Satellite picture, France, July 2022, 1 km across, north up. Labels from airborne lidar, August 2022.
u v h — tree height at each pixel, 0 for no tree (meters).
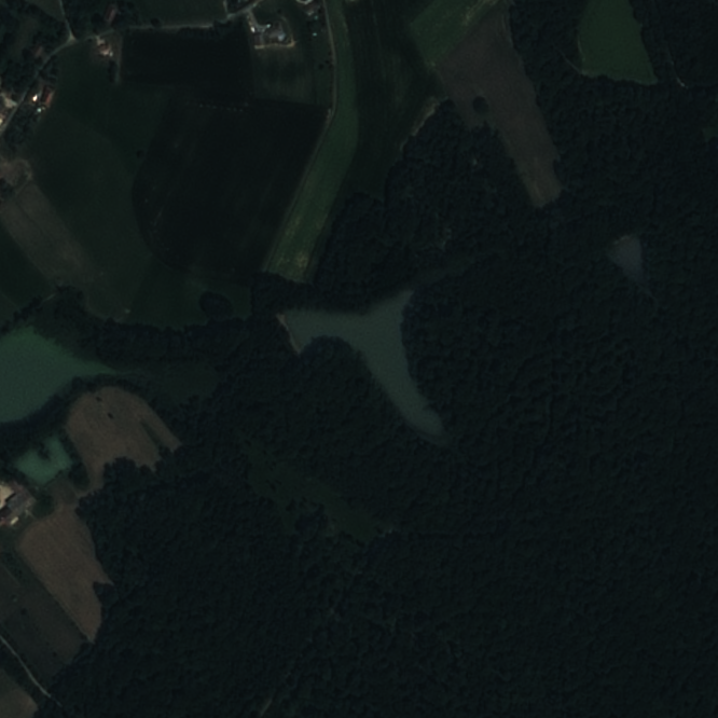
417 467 24
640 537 20
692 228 22
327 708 17
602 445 24
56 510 0
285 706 23
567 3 19
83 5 23
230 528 11
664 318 19
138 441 0
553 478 26
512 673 22
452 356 29
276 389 23
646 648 21
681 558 27
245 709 23
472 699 25
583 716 24
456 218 18
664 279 21
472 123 0
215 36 16
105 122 0
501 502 24
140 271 0
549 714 25
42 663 0
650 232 15
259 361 25
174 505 26
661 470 26
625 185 26
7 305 0
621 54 0
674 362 23
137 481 23
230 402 19
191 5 0
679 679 24
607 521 20
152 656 30
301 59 0
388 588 16
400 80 0
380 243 11
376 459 20
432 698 28
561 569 29
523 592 21
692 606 26
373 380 14
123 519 16
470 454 20
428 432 0
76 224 0
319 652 22
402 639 28
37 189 0
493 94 0
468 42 0
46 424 23
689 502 20
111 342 20
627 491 20
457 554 25
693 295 27
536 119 0
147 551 24
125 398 0
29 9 18
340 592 12
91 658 19
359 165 0
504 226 11
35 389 0
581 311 27
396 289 21
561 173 22
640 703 28
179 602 25
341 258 22
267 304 27
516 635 19
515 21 16
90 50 0
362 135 0
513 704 12
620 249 0
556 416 14
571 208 21
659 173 22
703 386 26
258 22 0
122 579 17
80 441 0
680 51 18
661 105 22
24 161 0
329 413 26
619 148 27
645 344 23
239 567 18
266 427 27
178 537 19
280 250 0
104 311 0
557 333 24
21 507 0
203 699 25
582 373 27
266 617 19
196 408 16
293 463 26
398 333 0
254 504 17
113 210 0
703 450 27
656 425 25
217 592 20
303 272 0
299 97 0
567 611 22
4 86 6
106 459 0
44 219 0
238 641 23
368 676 28
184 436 23
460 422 28
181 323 0
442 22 0
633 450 19
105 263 0
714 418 23
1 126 0
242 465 8
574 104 22
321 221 0
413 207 27
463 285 14
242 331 27
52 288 0
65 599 0
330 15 0
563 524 27
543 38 24
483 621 17
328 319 0
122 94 0
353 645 22
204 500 17
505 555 22
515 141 0
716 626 14
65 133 0
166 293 0
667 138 24
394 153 0
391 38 0
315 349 16
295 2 0
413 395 0
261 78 0
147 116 0
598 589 23
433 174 21
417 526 16
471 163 21
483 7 0
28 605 0
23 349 0
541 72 27
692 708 19
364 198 18
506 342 27
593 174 31
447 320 27
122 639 20
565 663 19
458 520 24
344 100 0
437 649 20
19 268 0
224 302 18
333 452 15
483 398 26
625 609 28
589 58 0
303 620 18
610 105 25
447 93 0
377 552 28
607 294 22
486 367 24
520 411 29
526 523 27
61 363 0
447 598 28
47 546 0
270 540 19
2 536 0
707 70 10
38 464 0
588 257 22
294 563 15
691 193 22
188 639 27
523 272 15
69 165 0
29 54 16
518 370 28
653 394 26
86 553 0
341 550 27
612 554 22
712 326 26
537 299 21
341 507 0
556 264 17
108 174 0
